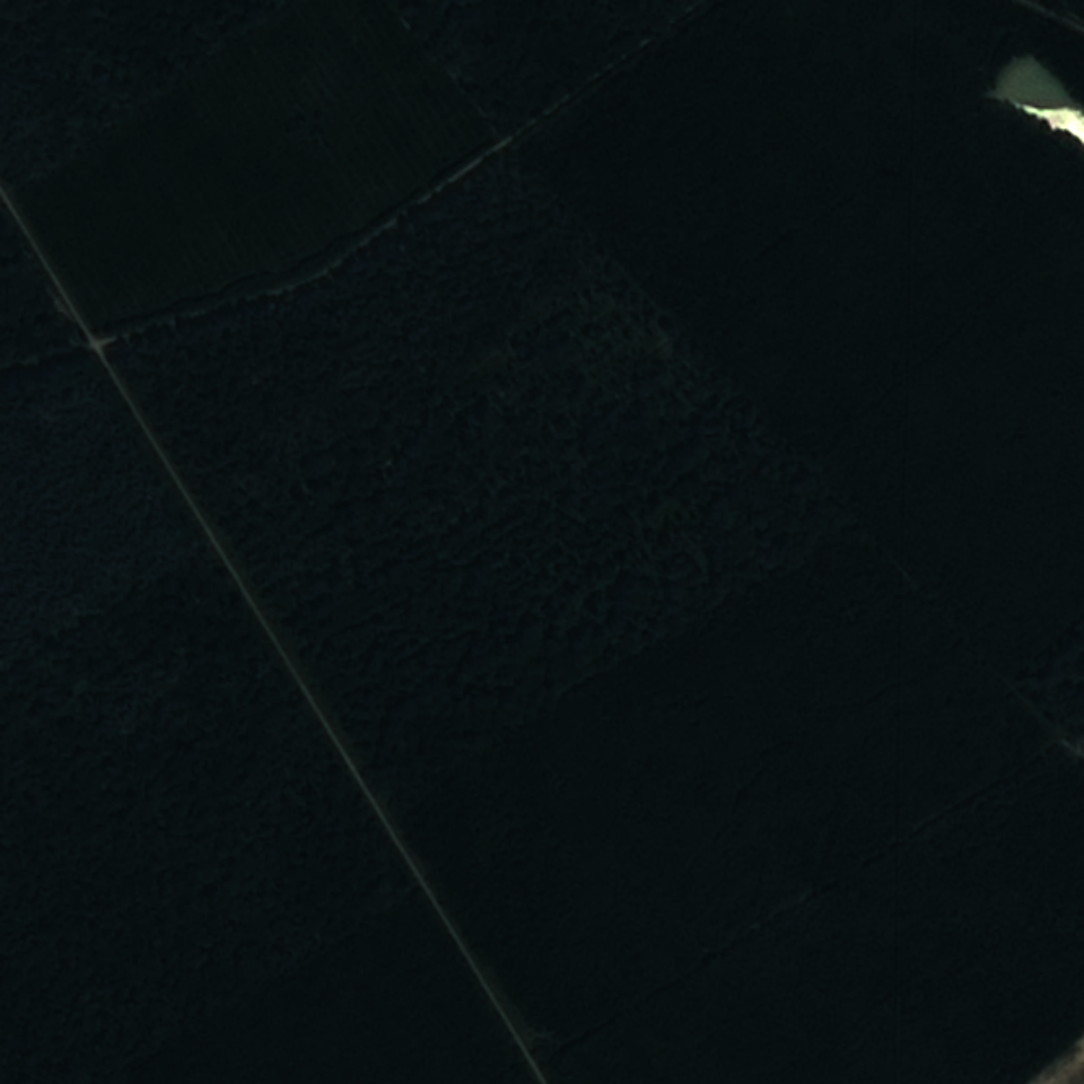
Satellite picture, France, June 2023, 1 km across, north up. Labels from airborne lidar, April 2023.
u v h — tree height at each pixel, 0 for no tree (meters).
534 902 8
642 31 17
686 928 11
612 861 8
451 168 7
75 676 18
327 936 17
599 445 21
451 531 16
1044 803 11
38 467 25
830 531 21
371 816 16
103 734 18
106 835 19
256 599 0
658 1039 11
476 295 20
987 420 15
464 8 28
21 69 24
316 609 17
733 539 23
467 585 18
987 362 13
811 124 12
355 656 18
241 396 21
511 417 18
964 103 15
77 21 20
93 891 20
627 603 22
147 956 21
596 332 19
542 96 19
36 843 22
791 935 9
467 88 21
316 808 19
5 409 22
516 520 13
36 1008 20
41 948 19
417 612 19
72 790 21
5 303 27
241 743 20
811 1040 11
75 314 0
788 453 13
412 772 14
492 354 0
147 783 22
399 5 13
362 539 17
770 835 10
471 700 21
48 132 23
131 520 27
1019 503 12
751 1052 11
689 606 21
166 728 20
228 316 18
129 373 20
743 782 8
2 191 0
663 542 22
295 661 0
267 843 21
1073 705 22
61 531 24
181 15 20
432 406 19
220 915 21
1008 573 10
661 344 0
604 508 17
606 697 8
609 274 14
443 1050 9
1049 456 13
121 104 18
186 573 23
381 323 19
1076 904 6
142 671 16
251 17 23
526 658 23
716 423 18
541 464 18
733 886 10
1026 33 12
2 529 23
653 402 19
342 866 23
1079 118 0
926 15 19
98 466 20
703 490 18
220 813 20
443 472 20
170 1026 18
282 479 19
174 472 0
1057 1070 0
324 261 8
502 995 0
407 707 22
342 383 16
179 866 18
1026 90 0
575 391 20
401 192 0
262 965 17
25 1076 21
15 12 19
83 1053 20
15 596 28
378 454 7
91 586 21
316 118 9
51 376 20
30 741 23
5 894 20
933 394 14
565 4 21
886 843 6
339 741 0
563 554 16
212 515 14
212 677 20
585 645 24
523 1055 7
